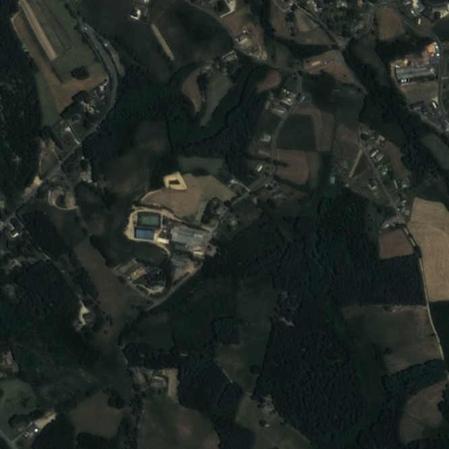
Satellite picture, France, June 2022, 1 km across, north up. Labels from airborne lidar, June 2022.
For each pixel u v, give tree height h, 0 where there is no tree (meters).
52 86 0
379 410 0
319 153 0
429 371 35
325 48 17
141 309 12
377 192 0
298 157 0
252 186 0
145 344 11
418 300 19
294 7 11
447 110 0
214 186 0
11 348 17
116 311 0
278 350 28
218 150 9
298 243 20
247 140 7
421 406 0
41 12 0
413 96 0
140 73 12
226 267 8
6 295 13
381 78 0
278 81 0
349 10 17
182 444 0
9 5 17
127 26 0
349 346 13
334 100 0
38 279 30
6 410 0
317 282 28
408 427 0
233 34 0
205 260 8
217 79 0
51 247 20
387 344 0
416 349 0
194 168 0
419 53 0
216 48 0
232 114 25
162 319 0
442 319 7
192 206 0
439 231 0
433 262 0
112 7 0
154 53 0
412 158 24
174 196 0
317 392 30
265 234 0
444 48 0
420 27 0
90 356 7
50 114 0
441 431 8
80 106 25
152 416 0
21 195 0
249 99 22
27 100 9
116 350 0
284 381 26
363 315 0
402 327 0
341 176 0
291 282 19
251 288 0
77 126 0
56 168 0
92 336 21
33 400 0
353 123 0
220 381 22
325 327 11
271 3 10
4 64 27
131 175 0
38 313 17
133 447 13
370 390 0
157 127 0
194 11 0
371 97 20
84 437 25
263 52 0
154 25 0
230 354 0
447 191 0
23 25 0
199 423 0
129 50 13
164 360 24
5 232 15
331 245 29
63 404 0
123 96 13
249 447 22
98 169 27
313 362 24
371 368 0
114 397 12
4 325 30
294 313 35
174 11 0
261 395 18
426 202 0
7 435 0
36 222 17
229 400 23
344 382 32
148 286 11
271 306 0
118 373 0
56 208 0
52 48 0
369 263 13
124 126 18
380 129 0
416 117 10
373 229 10
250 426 0
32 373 0
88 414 0
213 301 0
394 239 0
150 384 7
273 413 9
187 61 0
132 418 0
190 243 0
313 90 0
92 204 0
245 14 0
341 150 0
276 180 9
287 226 0
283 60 0
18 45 29
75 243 0
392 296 18
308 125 0
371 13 0
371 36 0
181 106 14
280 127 0
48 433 21
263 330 0
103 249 18
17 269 11
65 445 16
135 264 0
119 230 0
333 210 7
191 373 22
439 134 6
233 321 30
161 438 0
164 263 13
